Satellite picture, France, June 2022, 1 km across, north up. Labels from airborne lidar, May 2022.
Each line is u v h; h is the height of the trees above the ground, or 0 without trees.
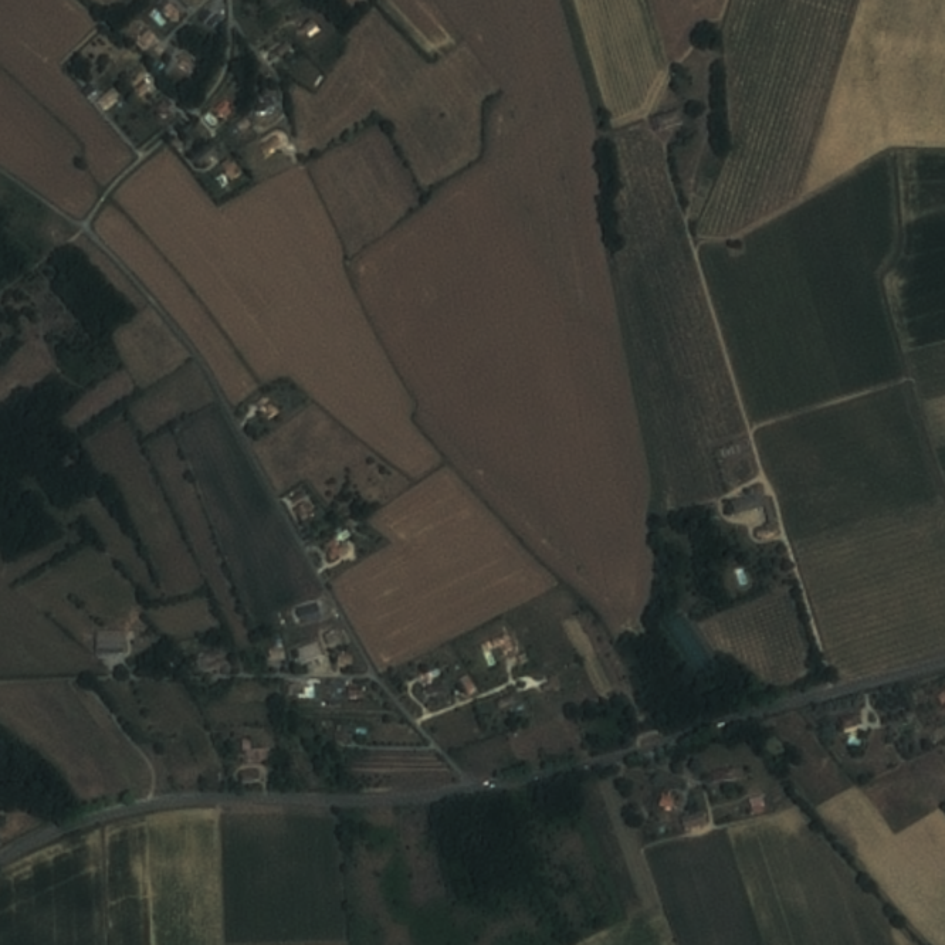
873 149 0
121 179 0
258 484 0
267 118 0
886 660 0
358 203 0
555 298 0
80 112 0
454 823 18
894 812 0
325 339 0
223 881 0
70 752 0
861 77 0
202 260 0
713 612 6
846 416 0
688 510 8
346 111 0
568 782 18
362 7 17
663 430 0
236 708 0
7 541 14
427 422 0
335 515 14
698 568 10
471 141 0
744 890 0
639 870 0
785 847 0
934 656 0
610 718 18
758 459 0
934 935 0
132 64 0
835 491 0
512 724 11
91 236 0
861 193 0
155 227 0
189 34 17
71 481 12
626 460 0
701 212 0
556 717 0
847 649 0
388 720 14
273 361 0
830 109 0
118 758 0
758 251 0
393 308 0
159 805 0
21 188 0
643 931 0
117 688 0
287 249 0
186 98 15
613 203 16
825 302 0
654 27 0
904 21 0
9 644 0
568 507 0
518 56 0
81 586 0
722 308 0
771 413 0
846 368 0
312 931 0
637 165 0
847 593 0
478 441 0
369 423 0
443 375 0
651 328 0
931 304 0
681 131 7
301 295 0
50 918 0
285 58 6
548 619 0
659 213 0
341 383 0
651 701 11
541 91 0
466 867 9
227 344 0
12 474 17
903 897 0
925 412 0
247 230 0
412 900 0
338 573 0
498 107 0
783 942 0
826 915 0
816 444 0
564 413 0
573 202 0
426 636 0
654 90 0
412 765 0
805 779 0
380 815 0
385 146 0
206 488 0
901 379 0
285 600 0
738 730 17
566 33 0
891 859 0
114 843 0
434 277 0
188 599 8
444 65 0
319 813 0
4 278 12
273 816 0
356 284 0
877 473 0
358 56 0
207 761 0
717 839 0
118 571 14
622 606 0
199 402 0
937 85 0
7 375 0
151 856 0
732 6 0
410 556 0
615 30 0
